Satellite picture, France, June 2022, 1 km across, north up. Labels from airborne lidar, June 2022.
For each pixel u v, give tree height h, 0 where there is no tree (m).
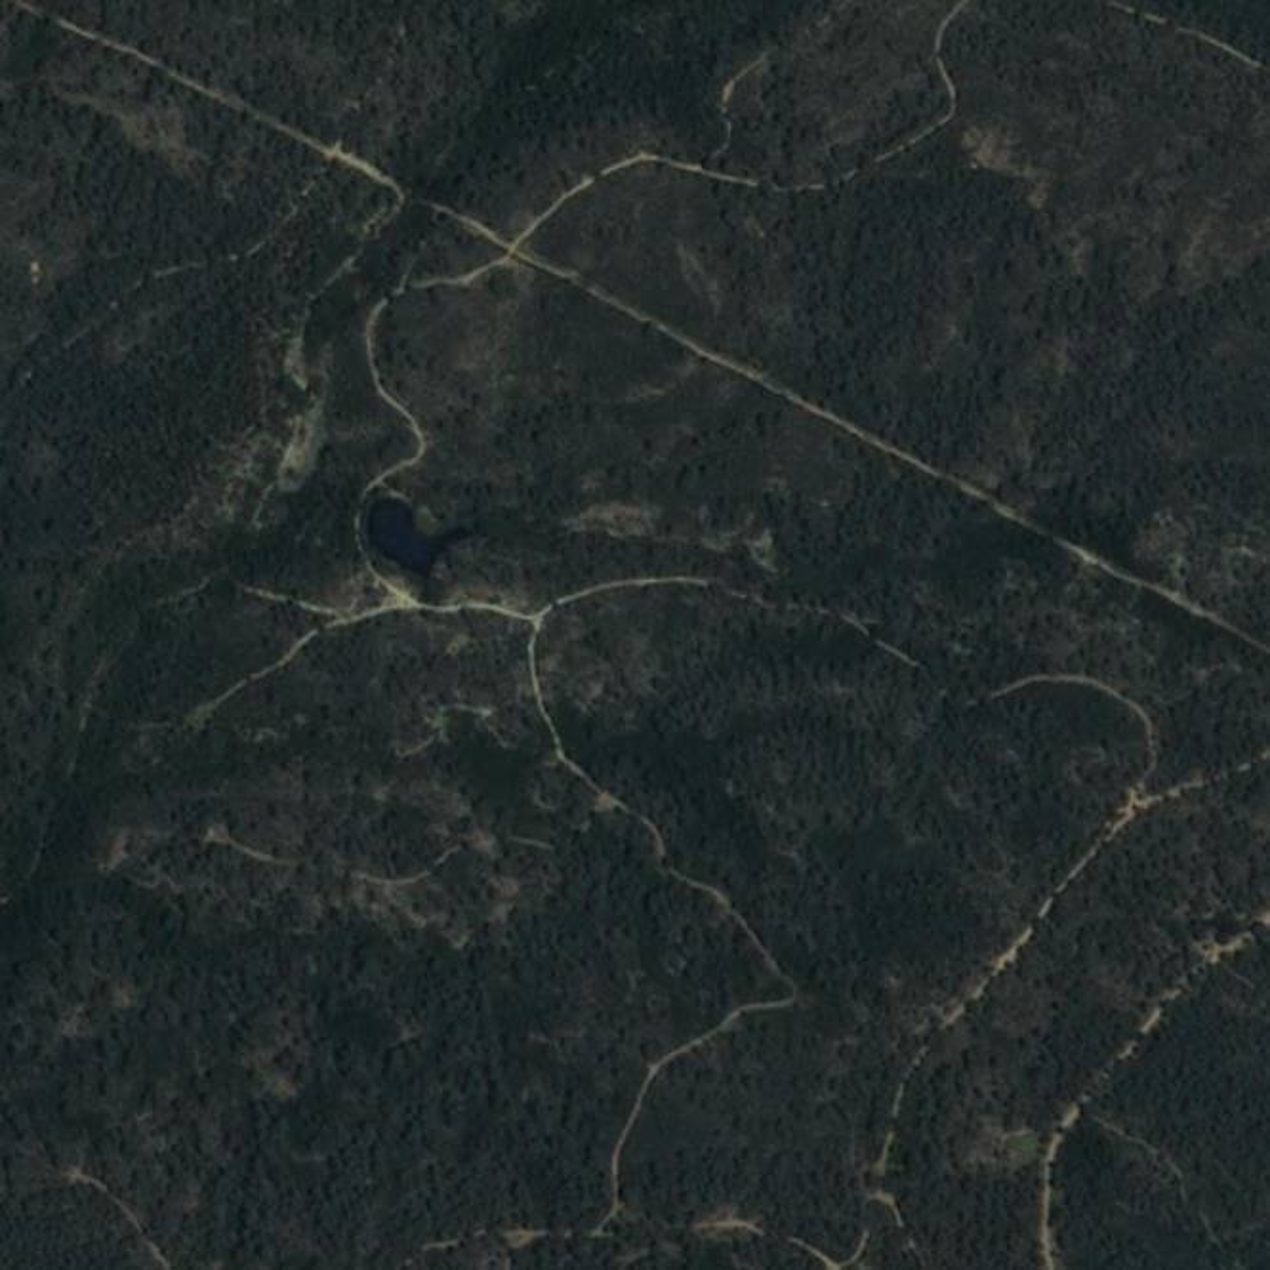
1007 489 11
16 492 12
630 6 8
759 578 7
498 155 6
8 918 7
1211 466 10
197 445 10
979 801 10
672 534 11
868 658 12
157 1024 11
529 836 9
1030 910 6
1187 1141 12
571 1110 13
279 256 10
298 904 13
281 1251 13
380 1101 7
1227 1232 12
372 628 9
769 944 12
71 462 9
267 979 7
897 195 8
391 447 10
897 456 8
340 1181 12
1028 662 12
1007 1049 0
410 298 8
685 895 12
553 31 6
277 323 10
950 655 12
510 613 0
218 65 7
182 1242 11
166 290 9
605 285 0
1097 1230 11
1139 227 0
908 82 0
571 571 8
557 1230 15
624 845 9
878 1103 11
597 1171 10
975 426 12
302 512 7
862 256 11
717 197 10
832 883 12
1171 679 8
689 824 14
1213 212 0
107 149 10
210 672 9
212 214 10
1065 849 10
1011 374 12
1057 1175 13
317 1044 11
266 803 0
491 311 0
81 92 8
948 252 12
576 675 0
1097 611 9
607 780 10
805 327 9
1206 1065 14
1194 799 9
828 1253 8
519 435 12
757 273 9
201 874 12
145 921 8
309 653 10
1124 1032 14
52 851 8
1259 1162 11
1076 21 10
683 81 7
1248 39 13
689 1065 9
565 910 14
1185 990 12
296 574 8
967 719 7
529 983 11
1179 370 9
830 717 9
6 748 11
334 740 12
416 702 6
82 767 7
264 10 8
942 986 9
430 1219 11
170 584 7
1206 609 7
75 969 13
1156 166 0
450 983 16
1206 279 0
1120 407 11
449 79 11
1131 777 8
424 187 13
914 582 7
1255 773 11
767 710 9
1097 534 13
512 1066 15
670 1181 12
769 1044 9
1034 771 6
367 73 12
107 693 15
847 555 15
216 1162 16
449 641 0
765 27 7
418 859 11
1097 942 9
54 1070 9
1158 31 11
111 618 11
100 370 12
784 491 0
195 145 9
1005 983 12
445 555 10
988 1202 11
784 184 11
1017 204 7
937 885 12
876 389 11
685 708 13
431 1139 10
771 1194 12
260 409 10
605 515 0
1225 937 8
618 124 11
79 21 11
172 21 6
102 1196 12
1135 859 11
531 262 0
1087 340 12
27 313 11
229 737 7
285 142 13
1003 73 9
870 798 10
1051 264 12
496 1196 11
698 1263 14
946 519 8
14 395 11
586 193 0
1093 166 0
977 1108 6
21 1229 12
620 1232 14
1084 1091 11
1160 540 0
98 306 14
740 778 9
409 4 17
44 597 14
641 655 0
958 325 0
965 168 7
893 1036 6
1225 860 8
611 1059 10
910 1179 15
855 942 14
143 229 11
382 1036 7
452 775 11
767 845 11
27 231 7
